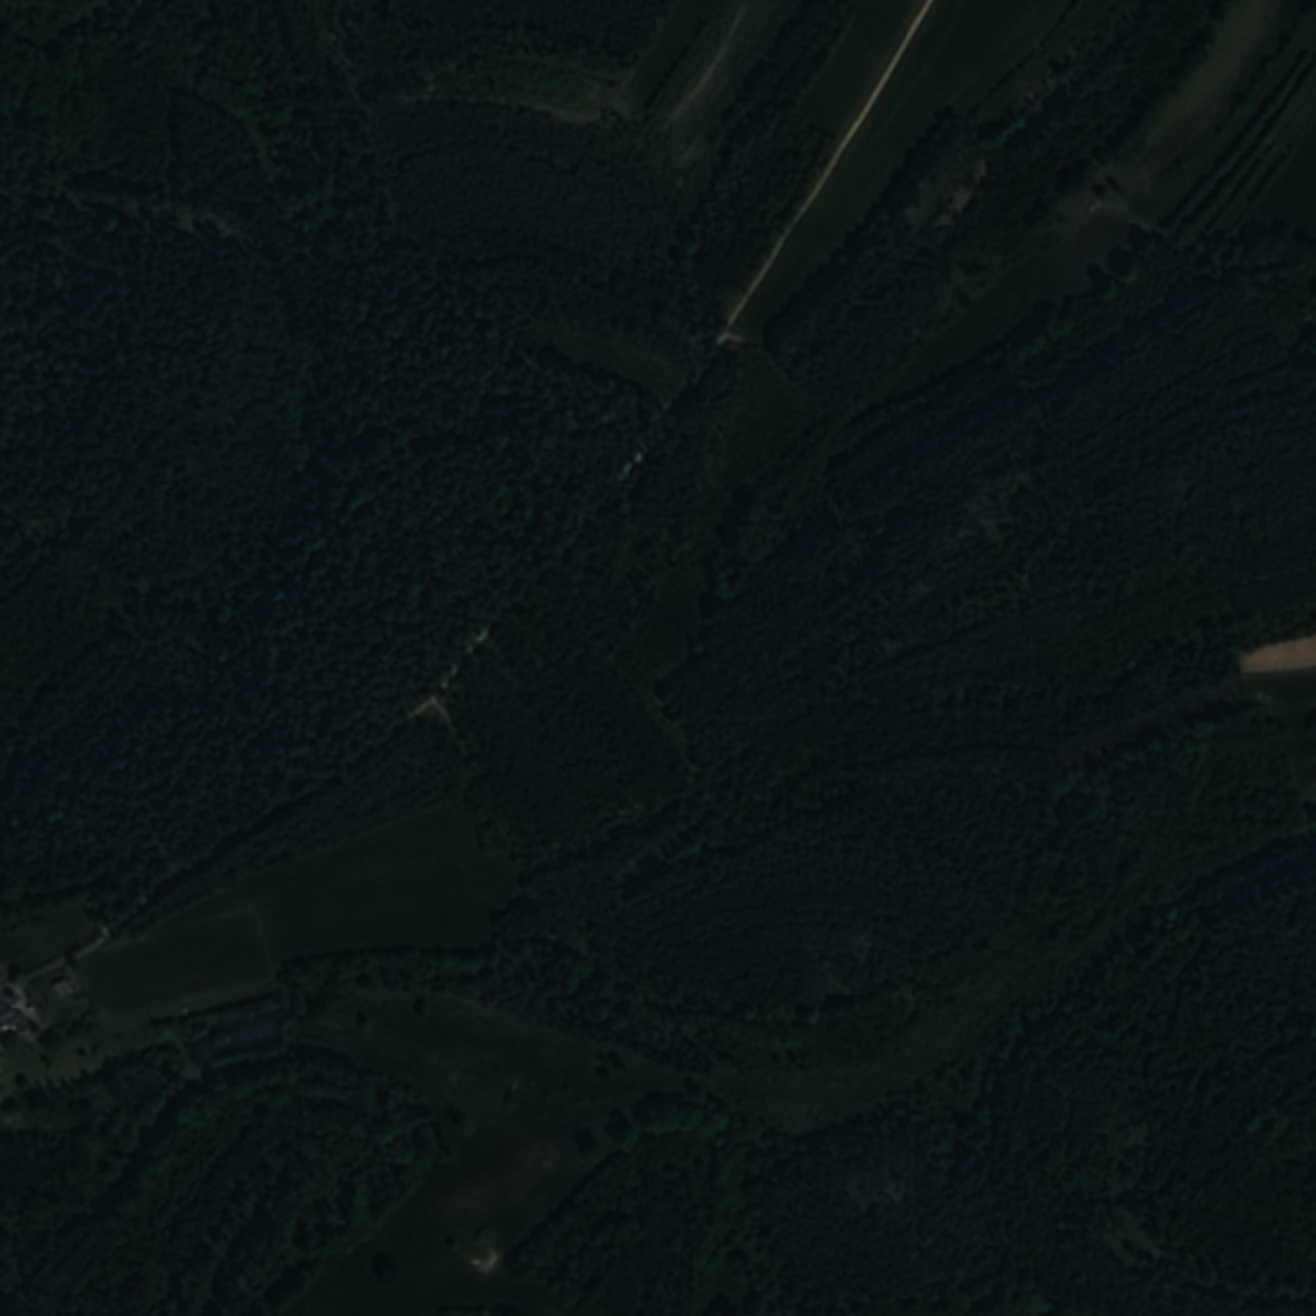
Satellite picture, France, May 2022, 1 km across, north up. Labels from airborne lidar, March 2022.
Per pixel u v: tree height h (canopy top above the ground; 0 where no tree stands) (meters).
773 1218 21
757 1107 0
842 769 12
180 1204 9
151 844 11
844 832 20
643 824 8
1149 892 21
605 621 23
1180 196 0
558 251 20
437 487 29
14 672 11
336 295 47
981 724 24
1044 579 12
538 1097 0
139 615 32
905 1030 7
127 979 0
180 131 27
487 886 0
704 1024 15
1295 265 18
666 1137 8
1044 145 8
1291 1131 15
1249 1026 12
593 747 11
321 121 25
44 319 18
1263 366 7
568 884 23
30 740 20
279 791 19
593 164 11
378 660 35
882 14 0
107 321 29
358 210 27
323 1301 0
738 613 21
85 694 24
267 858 7
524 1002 24
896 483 42
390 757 15
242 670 13
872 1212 19
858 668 14
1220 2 22
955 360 0
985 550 27
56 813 30
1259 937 15
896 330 26
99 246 33
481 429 10
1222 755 12
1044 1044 13
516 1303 0
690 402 13
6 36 19
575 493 29
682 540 18
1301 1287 18
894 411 9
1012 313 0
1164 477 22
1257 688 0
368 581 34
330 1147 8
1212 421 15
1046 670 16
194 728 28
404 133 7
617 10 21
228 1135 6
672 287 22
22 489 30
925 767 33
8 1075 0
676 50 0
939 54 0
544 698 11
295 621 33
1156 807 21
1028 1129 15
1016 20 0
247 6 15
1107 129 8
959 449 37
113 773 29
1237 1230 11
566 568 22
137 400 30
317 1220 7
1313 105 0
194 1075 0
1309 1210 13
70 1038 11
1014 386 16
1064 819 23
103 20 17
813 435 9
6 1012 0
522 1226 0
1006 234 8
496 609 25
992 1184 24
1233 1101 21
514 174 12
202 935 0
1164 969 7
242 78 27
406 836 0
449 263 9
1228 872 19
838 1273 23
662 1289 17
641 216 11
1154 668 21
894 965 17
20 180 34
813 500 7
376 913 0
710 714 13
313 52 12
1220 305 27
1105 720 18
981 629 13
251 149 9
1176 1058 7
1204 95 0
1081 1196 9
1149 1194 10
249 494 31
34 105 28
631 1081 0
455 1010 0
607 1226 22
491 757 15
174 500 30
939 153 24
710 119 0
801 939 16
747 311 0
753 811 10
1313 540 19
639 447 20
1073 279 0
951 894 22
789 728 16
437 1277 0
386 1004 0
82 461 28
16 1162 16
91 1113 9
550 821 14
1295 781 7
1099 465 10
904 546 33
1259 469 16
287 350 25
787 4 0
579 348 0
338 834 10
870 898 17
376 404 30
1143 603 16
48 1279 20
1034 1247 15
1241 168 5
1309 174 0
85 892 11
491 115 7
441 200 12
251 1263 28
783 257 0
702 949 15
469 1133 11
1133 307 11
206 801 15
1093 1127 12
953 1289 17
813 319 25
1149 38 15
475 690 13
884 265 20
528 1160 0
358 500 29
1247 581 20
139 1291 15
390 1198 18
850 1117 0
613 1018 25
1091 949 0
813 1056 9
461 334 33
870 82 0
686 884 23
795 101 10
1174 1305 19
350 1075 28
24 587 17
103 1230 24
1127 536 14
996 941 11
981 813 26
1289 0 0
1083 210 0
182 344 23
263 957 0
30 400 39
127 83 12
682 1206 15
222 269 25
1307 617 6
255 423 31
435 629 26
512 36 14
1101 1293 21
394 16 21
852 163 0
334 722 32
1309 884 45
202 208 25
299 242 32
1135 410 9
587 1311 16
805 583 18
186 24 17
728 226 8
